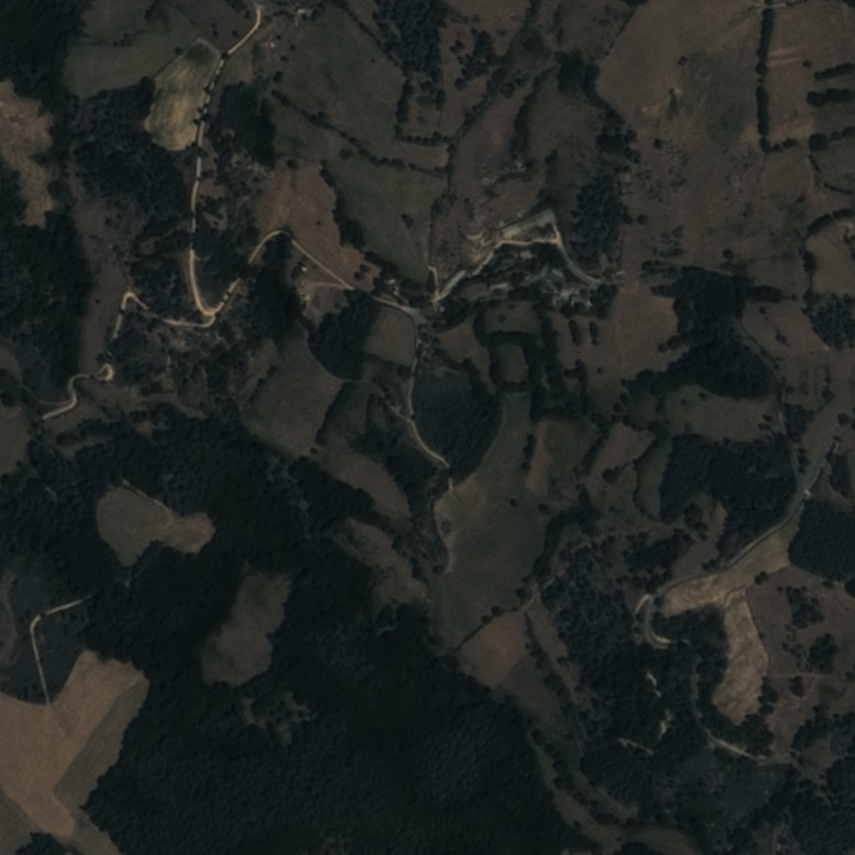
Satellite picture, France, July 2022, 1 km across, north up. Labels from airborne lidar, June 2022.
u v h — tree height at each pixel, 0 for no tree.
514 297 15
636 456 0
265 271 11
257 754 18
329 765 16
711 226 0
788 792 12
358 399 0
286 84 0
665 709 16
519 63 0
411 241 0
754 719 11
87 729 0
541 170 0
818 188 0
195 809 19
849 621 0
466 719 20
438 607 0
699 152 0
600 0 0
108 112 15
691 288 17
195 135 0
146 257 7
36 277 11
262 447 20
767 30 13
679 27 0
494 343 16
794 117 0
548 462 0
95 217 0
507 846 16
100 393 0
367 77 0
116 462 10
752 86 0
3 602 0
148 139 12
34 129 0
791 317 0
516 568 0
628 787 15
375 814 17
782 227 0
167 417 8
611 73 0
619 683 15
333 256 0
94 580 14
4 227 7
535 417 13
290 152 0
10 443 0
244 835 17
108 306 0
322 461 0
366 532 0
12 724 0
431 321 6
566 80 13
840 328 18
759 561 0
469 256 0
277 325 17
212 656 0
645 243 0
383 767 16
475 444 19
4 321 12
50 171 0
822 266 0
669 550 15
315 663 21
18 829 0
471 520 0
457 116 0
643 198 0
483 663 0
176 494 16
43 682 0
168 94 0
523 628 0
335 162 0
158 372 10
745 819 11
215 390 9
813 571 14
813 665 8
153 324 10
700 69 0
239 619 0
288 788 20
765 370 22
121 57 0
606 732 11
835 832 19
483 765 19
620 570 0
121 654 11
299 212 0
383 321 0
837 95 17
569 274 11
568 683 0
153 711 21
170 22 0
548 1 0
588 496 7
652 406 0
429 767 22
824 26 0
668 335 0
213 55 0
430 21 18
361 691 15
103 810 19
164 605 6
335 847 16
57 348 21
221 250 8
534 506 0
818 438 0
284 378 0
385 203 0
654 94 0
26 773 0
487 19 0
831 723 18
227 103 17
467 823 14
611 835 0
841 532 20
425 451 0
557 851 18
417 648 11
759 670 0
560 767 12
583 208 14
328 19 0
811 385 0
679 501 20
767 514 17
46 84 22
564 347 0
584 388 6
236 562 22
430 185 0
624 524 0
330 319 16
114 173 17
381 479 0
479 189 0
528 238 0
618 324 0
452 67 0
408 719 24
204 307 0
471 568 0
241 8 14
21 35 17
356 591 20
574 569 13
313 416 0
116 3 0
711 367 25
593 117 0
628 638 11
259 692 18
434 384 0
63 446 13
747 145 0
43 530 19
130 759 21
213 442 11
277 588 0
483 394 22
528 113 10
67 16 21
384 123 0
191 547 0
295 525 18
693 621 15
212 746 24
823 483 0
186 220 8
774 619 0
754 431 0
